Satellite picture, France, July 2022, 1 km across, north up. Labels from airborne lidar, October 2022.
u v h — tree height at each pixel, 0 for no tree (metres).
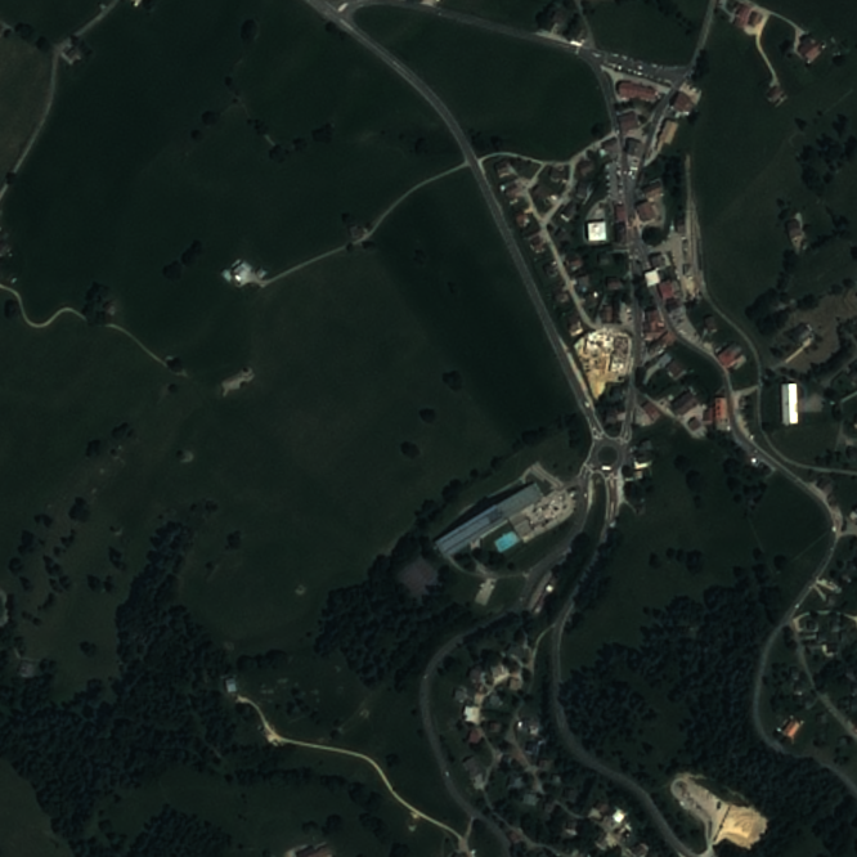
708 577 0
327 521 0
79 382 0
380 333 0
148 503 0
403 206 0
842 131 26
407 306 0
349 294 0
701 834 7
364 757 0
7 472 0
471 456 0
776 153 0
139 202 0
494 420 0
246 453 0
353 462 0
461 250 0
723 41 0
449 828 0
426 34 0
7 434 0
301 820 0
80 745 20
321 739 0
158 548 25
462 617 18
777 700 7
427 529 16
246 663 18
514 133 0
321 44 0
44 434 0
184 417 0
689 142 0
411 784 0
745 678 26
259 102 0
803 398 0
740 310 0
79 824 19
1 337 0
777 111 0
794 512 0
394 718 0
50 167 0
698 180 0
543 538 0
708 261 0
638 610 0
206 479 0
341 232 0
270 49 0
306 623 0
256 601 0
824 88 0
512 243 0
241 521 0
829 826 17
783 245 0
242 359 0
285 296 0
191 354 0
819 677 11
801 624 0
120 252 0
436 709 0
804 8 0
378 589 10
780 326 12
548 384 0
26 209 0
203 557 0
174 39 0
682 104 0
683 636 8
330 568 0
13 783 0
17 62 0
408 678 21
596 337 9
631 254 0
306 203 0
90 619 0
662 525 0
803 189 0
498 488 0
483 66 0
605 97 0
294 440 0
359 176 0
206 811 0
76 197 0
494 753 0
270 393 0
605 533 0
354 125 0
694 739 15
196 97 0
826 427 0
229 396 0
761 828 0
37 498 0
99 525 0
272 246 0
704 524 0
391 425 0
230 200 0
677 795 0
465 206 0
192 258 12
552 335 0
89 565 0
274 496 0
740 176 0
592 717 11
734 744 24
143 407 0
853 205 0
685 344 0
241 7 0
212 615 0
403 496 0
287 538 0
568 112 0
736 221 0
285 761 7
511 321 0
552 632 0
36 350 0
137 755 29
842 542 0
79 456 0
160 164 0
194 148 0
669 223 0
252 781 20
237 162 0
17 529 0
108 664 0
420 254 10
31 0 0
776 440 0
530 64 0
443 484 0
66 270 0
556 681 0
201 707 18
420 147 11
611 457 0
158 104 0
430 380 0
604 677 19
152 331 0
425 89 0
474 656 12
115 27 0
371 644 21
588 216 0
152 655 22
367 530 0
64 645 0
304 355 0
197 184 0
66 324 0
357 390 0
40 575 0
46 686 23
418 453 8
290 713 11
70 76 0
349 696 0
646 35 0
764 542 0
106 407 0
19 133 0
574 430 11
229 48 0
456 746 0
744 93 0
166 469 0
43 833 0
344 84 0
